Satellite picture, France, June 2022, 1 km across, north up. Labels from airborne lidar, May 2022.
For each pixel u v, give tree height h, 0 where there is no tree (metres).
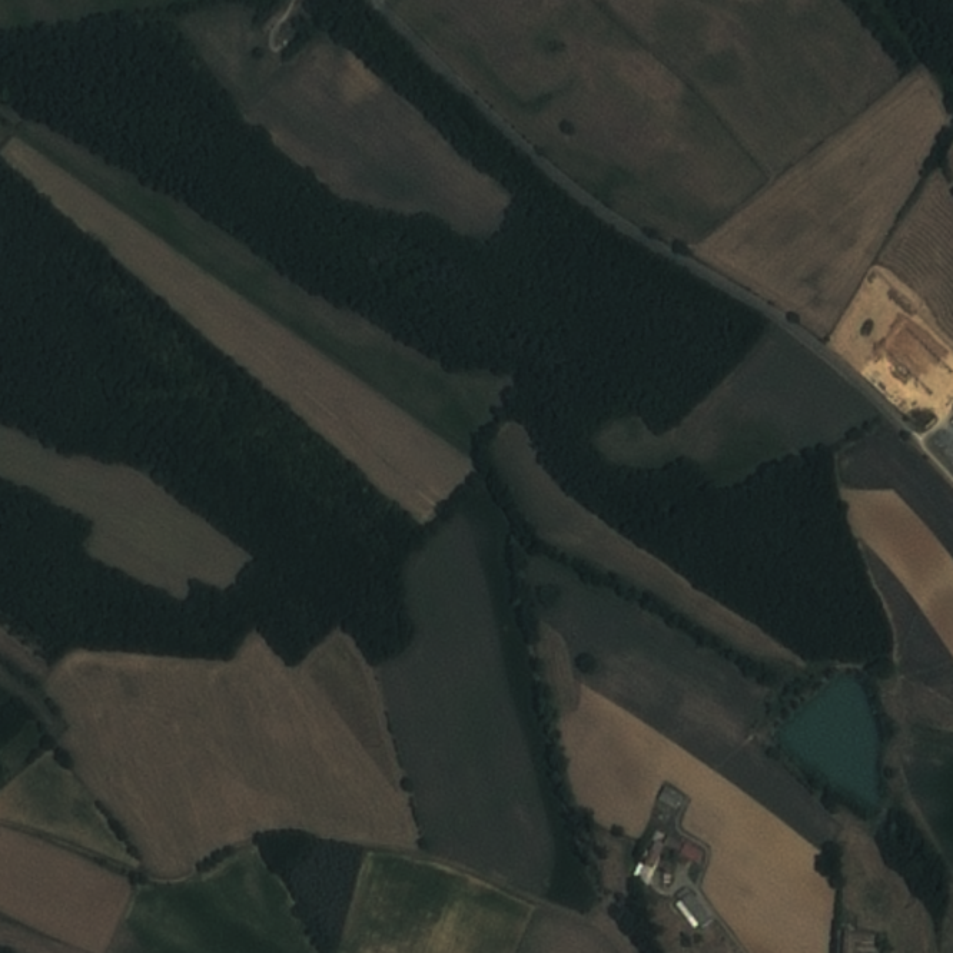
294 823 0
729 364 15
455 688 0
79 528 16
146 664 0
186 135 14
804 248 0
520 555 24
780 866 0
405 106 0
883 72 0
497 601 0
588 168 0
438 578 0
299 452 20
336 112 0
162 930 0
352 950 0
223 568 0
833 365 0
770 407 0
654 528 27
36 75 19
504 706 0
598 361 19
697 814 0
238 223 22
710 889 0
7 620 5
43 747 12
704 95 0
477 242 12
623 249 9
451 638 0
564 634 0
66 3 0
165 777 0
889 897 0
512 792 0
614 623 0
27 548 17
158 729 0
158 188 14
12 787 0
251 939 0
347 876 16
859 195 0
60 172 0
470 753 0
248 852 0
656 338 14
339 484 18
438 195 0
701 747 0
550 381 21
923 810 0
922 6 25
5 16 0
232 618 18
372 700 0
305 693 0
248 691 0
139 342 23
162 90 14
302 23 16
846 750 0
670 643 0
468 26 0
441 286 15
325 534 18
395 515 16
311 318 0
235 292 0
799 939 0
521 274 15
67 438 18
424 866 0
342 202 10
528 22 0
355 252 14
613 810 0
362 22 26
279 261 21
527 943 0
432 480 0
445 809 0
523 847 0
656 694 0
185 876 0
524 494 0
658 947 25
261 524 16
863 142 0
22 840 0
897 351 0
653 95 0
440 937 0
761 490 21
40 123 18
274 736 0
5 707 10
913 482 0
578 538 0
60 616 18
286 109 0
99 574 17
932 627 0
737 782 0
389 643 19
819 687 14
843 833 0
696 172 0
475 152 17
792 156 0
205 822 0
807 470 22
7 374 17
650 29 0
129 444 17
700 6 0
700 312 17
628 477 14
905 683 0
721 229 0
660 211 0
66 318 20
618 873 0
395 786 0
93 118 16
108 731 0
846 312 0
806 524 17
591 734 0
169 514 0
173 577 0
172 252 0
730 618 0
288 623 13
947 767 0
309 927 12
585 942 0
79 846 0
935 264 0
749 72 0
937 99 0
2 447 0
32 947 0
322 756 0
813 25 0
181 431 24
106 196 0
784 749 7
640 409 15
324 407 0
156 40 20
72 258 18
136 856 8
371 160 0
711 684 0
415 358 0
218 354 12
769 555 14
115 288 21
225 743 0
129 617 15
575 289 12
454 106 9
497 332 11
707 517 24
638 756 0
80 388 18
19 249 16
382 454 0
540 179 8
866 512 0
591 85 0
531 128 0
